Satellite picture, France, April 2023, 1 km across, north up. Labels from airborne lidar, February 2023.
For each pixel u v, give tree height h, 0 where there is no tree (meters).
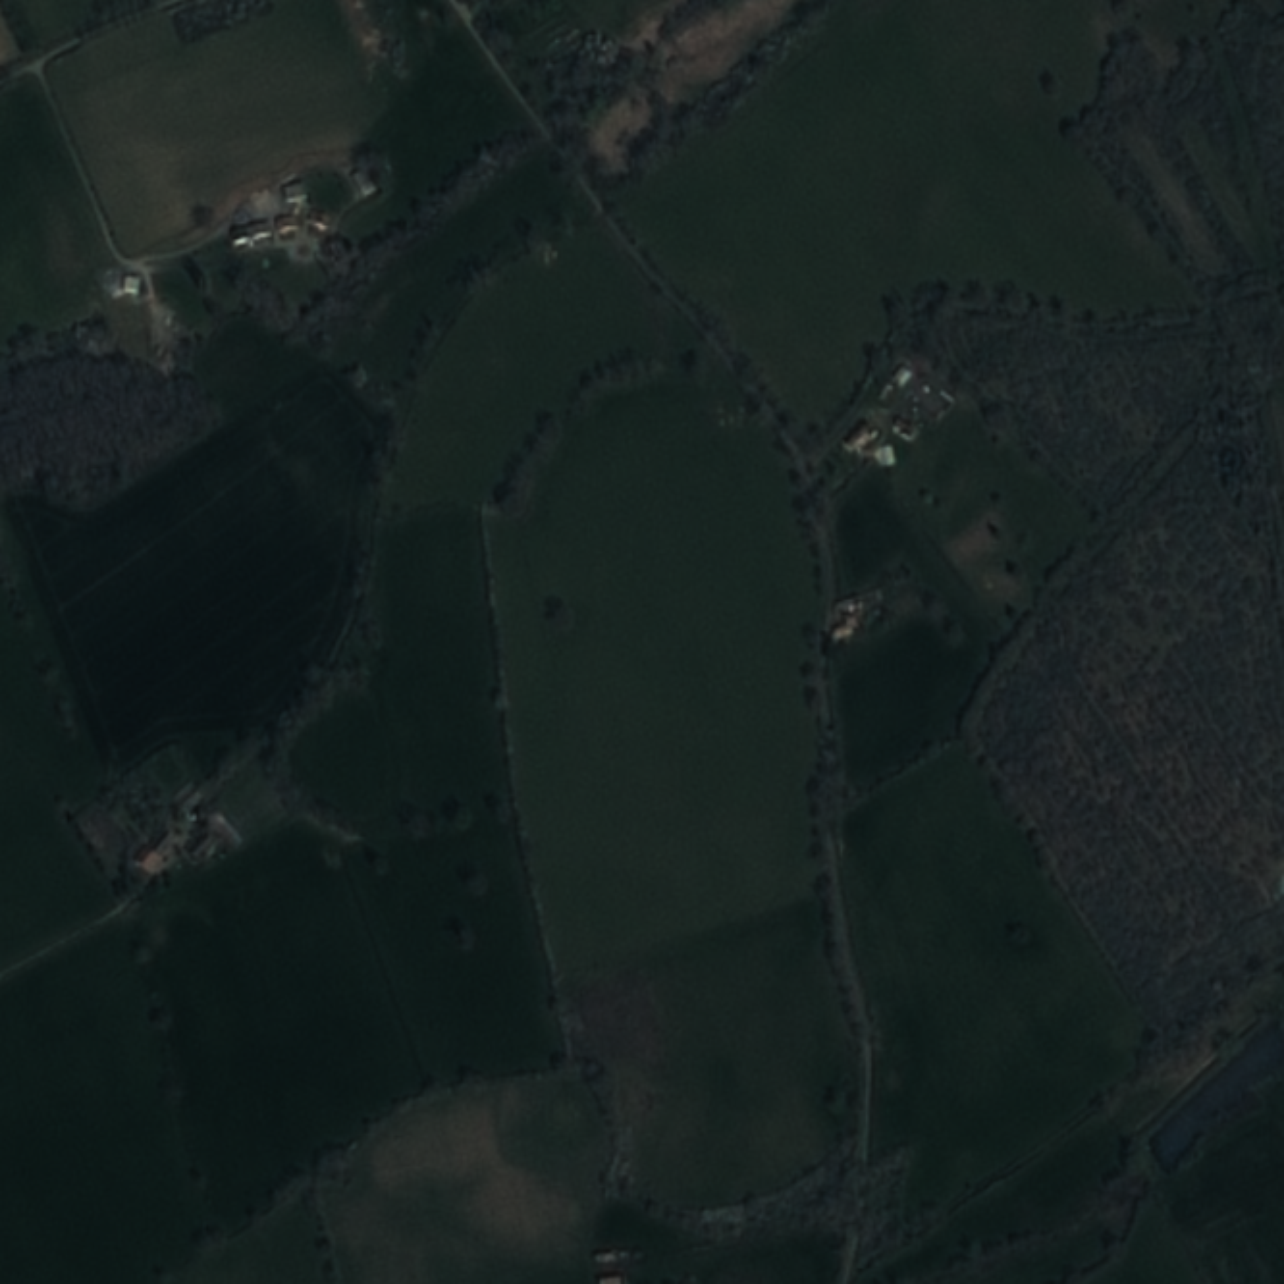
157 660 0
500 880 0
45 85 0
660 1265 0
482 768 0
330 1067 0
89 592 0
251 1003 0
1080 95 0
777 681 0
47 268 0
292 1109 0
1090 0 0
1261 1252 0
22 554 0
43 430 26
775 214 0
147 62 0
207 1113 0
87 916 0
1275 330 10
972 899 0
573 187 19
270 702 0
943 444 0
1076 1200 0
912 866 0
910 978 0
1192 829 7
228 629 0
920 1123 0
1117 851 8
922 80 0
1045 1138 0
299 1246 0
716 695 0
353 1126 0
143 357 0
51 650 0
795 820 0
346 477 0
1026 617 10
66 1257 0
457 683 0
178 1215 0
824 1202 11
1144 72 14
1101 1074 0
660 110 15
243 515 0
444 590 0
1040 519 0
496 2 19
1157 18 0
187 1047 0
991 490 0
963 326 11
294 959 0
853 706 0
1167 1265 0
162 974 0
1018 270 0
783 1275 0
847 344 0
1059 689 8
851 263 0
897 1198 7
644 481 0
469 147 0
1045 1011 0
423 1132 0
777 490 0
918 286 0
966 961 0
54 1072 0
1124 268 0
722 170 0
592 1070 12
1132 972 6
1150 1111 0
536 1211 0
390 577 0
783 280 0
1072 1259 0
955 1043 0
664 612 0
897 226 0
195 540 0
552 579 0
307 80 0
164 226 0
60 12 0
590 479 0
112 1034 0
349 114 0
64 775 0
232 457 0
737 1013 0
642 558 0
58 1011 0
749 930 0
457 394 0
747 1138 0
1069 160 0
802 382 0
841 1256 18
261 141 0
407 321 0
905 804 0
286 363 0
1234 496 11
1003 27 0
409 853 0
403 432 14
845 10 0
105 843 0
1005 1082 0
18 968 0
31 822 0
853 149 0
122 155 0
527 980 0
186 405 22
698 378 17
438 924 0
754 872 0
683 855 0
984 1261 11
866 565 0
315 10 0
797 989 0
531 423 0
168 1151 0
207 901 0
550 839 0
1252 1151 0
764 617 0
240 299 28
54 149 0
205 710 0
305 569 0
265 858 0
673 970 0
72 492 25
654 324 0
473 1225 0
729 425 0
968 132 0
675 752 0
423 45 0
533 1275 0
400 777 0
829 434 8
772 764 0
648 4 0
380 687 0
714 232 0
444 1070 0
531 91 6
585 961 0
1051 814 11
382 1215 0
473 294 18
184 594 0
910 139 0
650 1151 0
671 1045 0
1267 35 7
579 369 0
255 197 0
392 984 0
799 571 0
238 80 0
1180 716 7
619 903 0
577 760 0
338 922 0
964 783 0
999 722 10
